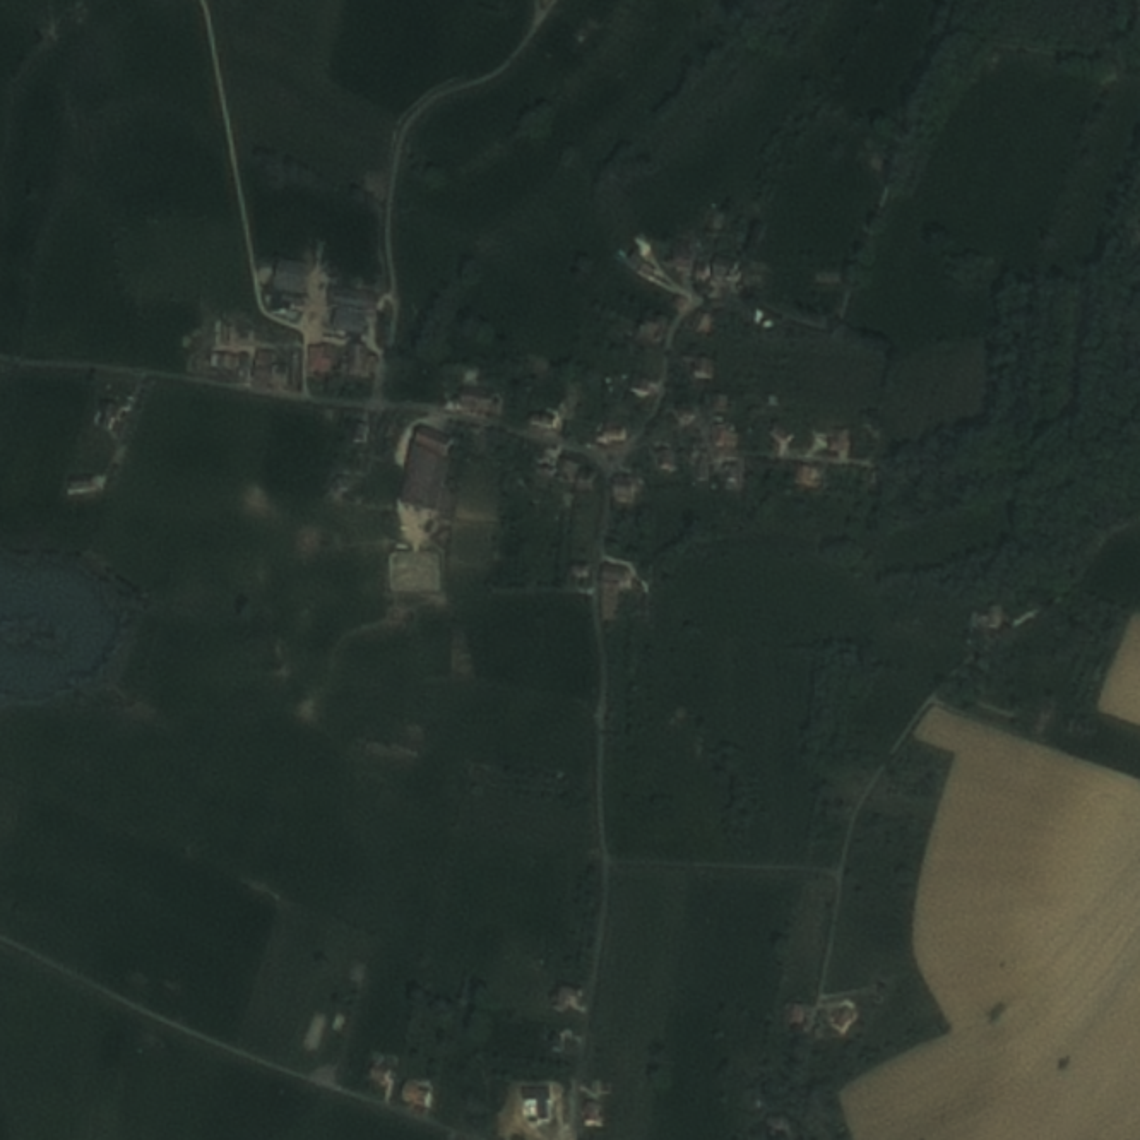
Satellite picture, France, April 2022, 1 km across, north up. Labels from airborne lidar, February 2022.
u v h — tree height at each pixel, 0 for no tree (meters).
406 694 0
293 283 0
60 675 0
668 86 0
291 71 0
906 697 0
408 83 0
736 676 0
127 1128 0
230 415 0
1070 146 0
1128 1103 0
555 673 0
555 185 0
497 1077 7
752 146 0
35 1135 0
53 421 0
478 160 0
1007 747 0
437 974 0
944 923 0
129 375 0
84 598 0
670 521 0
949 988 0
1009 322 20
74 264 0
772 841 0
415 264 0
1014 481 31
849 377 0
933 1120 0
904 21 0
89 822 0
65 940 0
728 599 0
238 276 0
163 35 0
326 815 0
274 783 0
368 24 0
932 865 0
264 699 0
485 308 0
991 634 0
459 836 0
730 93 0
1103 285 20
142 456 0
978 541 0
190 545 0
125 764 0
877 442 0
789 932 6
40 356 0
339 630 0
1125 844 0
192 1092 0
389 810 0
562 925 0
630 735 7
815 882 0
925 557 0
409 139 0
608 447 0
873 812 0
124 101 0
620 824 0
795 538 0
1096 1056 0
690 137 0
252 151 0
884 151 0
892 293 0
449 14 0
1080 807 0
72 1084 0
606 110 0
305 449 0
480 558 0
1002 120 0
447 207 0
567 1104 0
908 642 0
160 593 0
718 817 0
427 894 0
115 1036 0
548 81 0
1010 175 0
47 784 0
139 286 0
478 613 0
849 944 0
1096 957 0
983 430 14
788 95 0
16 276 0
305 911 0
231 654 0
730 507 0
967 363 0
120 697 0
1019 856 0
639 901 0
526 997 0
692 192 0
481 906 0
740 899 0
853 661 19
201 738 0
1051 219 0
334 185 7
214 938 0
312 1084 0
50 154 0
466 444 7
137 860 0
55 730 0
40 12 0
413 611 0
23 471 0
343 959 0
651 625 0
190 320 0
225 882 0
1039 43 9
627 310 0
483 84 0
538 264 0
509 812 0
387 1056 0
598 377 14
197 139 0
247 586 0
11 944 0
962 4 16
